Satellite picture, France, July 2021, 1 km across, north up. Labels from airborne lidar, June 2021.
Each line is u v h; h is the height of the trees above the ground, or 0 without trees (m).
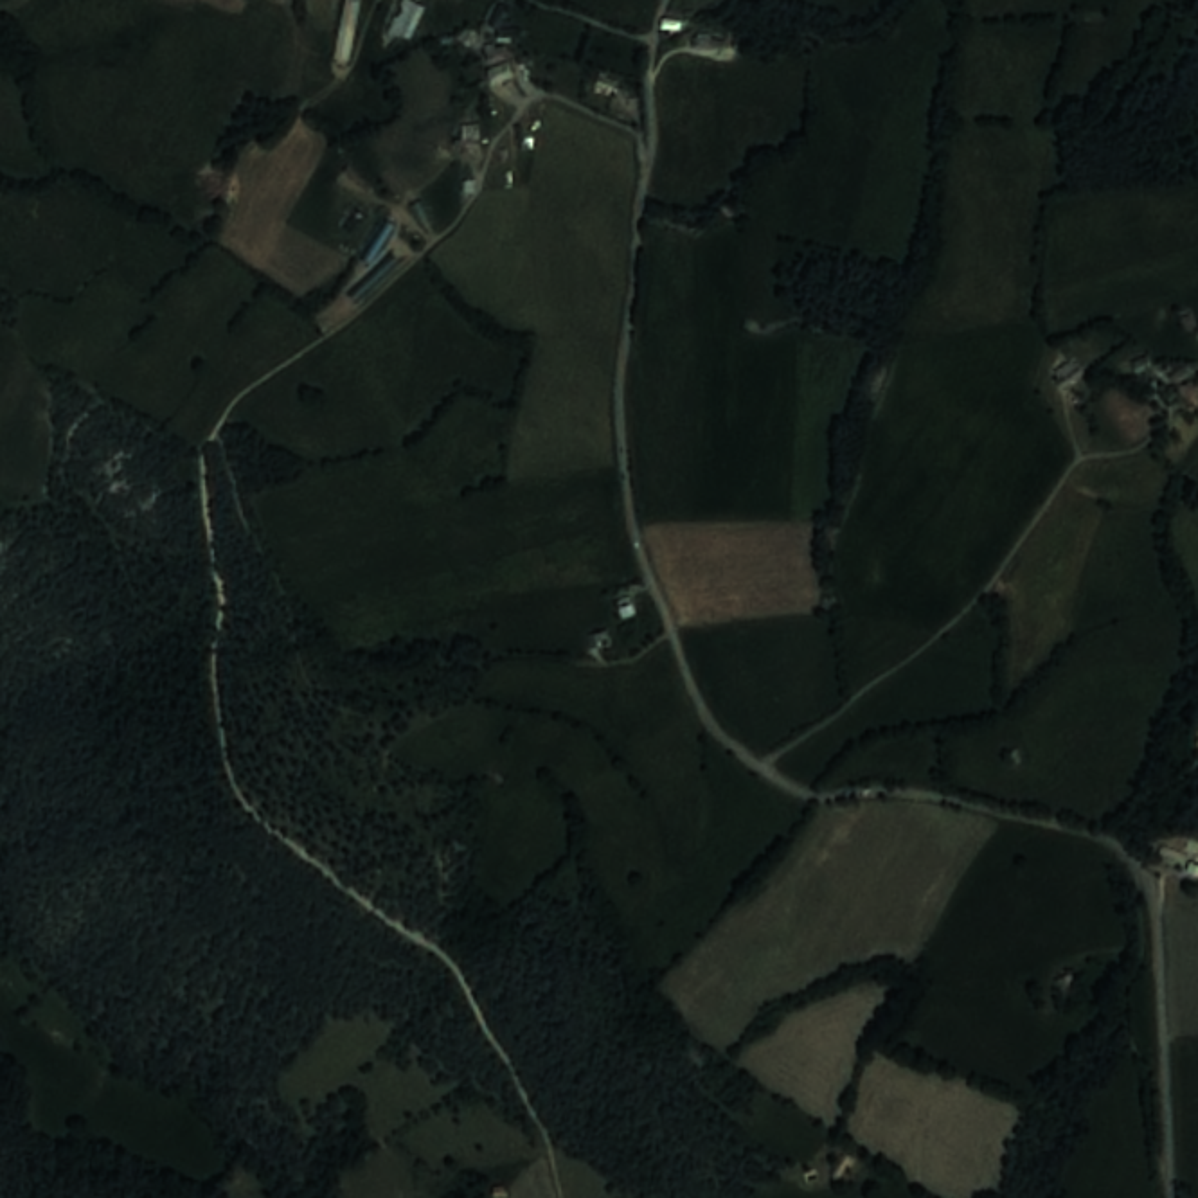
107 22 0
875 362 13
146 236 0
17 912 9
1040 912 0
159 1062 16
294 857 12
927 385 0
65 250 0
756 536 0
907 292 18
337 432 0
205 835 8
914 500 0
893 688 0
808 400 0
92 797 12
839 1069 0
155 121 0
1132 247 0
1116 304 0
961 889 0
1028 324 0
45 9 0
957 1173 0
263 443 16
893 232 0
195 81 0
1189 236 0
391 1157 0
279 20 0
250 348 0
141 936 9
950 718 9
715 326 0
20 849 14
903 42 0
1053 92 11
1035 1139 16
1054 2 0
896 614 0
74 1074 0
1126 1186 0
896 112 0
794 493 0
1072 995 11
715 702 0
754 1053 0
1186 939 0
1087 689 0
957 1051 0
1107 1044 19
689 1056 8
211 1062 14
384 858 7
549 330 0
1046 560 0
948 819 0
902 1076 0
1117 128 18
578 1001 15
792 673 0
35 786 10
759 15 14
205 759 14
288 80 0
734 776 0
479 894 13
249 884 12
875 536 0
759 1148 11
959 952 0
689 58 0
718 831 0
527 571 0
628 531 0
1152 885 0
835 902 0
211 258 0
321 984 13
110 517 8
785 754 0
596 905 11
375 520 0
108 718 17
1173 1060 0
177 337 0
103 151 0
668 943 0
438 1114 9
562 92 0
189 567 8
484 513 0
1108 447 0
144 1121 0
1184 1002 0
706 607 0
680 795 0
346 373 0
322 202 0
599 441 0
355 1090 11
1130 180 18
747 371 0
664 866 0
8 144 0
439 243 0
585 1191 0
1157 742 17
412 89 0
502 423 0
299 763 11
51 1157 21
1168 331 0
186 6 0
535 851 0
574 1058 13
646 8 0
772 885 0
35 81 8
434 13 0
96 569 9
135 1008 10
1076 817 12
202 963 8
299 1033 10
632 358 0
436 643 10
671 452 0
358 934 11
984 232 0
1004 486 0
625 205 0
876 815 0
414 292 0
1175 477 10
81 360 0
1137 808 9
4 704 9
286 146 0
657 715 0
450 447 0
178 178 0
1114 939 0
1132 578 0
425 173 0
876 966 12
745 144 0
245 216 0
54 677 12
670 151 0
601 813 0
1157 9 11
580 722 7
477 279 0
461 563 0
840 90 0
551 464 0
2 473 0
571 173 0
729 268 0
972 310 0
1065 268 0
